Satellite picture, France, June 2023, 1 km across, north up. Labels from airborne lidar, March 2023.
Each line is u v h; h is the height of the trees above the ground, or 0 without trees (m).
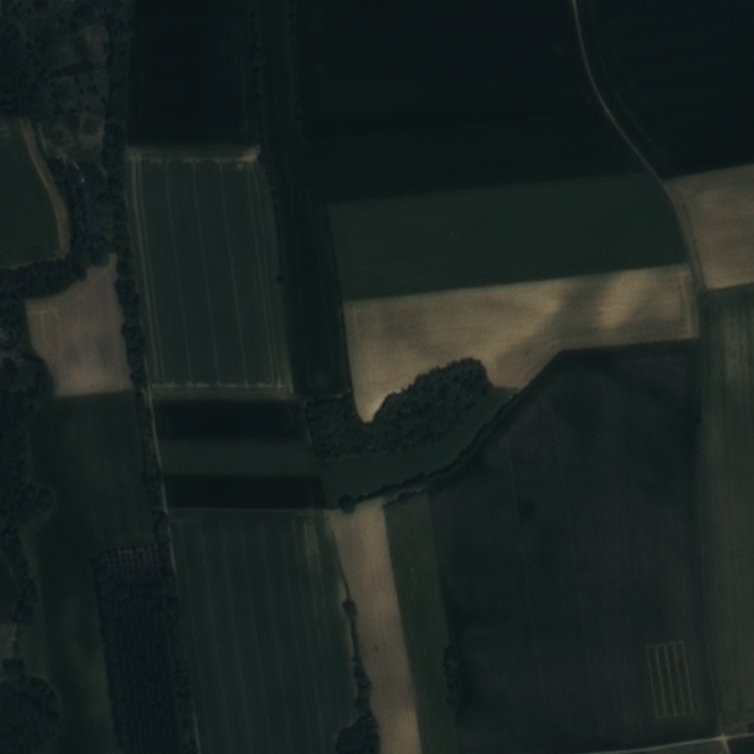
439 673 0
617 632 0
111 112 17
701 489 0
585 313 0
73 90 0
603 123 0
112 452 0
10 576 0
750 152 0
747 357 0
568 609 0
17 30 25
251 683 0
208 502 0
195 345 0
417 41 0
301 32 0
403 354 0
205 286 0
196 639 0
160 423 0
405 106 0
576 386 0
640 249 0
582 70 0
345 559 0
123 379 0
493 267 0
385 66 0
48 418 0
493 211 0
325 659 0
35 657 0
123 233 16
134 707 38
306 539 0
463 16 0
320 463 0
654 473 0
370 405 0
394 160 0
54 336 0
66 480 0
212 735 0
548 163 0
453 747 0
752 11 0
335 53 0
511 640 0
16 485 11
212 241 0
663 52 0
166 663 35
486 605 0
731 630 0
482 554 0
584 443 0
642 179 0
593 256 0
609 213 0
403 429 10
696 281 0
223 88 0
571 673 0
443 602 0
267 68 0
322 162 0
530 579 0
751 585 0
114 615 37
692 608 0
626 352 0
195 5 0
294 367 0
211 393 0
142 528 0
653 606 0
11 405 25
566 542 0
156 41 0
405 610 0
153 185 0
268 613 0
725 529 0
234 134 0
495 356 0
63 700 0
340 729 0
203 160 0
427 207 0
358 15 0
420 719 0
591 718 0
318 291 0
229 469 0
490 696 0
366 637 0
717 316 0
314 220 0
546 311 0
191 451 0
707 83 0
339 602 0
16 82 19
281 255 5
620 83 0
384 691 0
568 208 0
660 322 0
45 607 0
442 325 0
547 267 0
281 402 0
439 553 0
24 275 20
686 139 0
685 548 0
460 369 7
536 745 0
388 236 0
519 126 0
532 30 0
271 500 0
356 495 0
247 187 0
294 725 0
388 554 0
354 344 0
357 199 0
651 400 0
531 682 0
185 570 0
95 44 0
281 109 0
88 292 0
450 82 0
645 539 0
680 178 0
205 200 0
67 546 0
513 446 0
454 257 0
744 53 0
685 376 0
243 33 0
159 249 0
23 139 0
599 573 0
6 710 37
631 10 0
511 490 0
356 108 0
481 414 0
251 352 0
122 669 36
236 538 0
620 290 0
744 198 0
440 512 0
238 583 0
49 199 0
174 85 0
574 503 0
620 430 0
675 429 0
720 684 0
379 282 0
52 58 0
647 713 0
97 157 0
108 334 0
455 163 0
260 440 0
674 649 0
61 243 0
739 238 0
